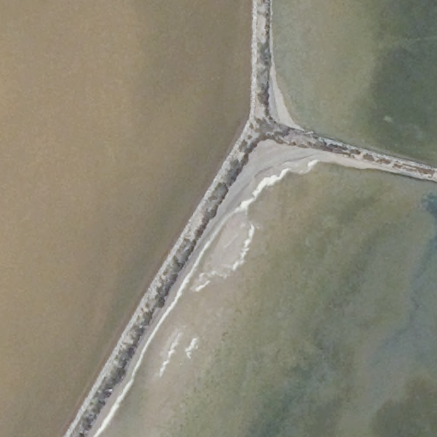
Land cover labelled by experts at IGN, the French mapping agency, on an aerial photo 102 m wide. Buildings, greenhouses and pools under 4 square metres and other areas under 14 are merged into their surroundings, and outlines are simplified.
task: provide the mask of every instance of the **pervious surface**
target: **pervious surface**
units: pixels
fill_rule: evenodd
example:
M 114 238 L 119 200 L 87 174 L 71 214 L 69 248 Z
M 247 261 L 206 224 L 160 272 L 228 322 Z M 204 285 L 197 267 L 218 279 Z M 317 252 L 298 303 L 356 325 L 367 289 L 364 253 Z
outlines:
M 171 362 L 171 357 L 183 336 L 181 331 L 174 329 L 160 352 L 162 362 L 157 372 L 160 377 L 164 376 L 167 365 Z
M 183 278 L 167 297 L 166 306 L 159 307 L 155 304 L 157 288 L 171 277 L 174 258 L 178 256 L 184 239 L 195 237 L 203 215 L 212 210 L 213 201 L 210 200 L 210 196 L 213 195 L 213 191 L 218 183 L 224 181 L 230 164 L 234 160 L 242 159 L 242 142 L 251 143 L 258 137 L 256 119 L 263 118 L 265 114 L 265 108 L 258 97 L 258 72 L 263 67 L 259 60 L 259 46 L 265 43 L 266 9 L 265 3 L 261 0 L 253 0 L 251 109 L 248 119 L 229 154 L 225 155 L 224 162 L 205 195 L 201 196 L 200 203 L 196 205 L 188 224 L 184 225 L 183 232 L 179 234 L 164 263 L 160 265 L 149 290 L 145 292 L 123 329 L 108 362 L 102 367 L 96 382 L 90 387 L 89 394 L 85 396 L 84 403 L 63 437 L 77 437 L 75 428 L 82 422 L 85 411 L 90 410 L 96 403 L 94 398 L 97 391 L 101 389 L 102 382 L 111 377 L 111 372 L 118 367 L 119 353 L 128 348 L 131 338 L 135 335 L 135 326 L 142 323 L 143 314 L 147 311 L 154 314 L 154 324 L 149 333 L 145 333 L 143 340 L 140 341 L 140 347 L 131 358 L 125 379 L 111 391 L 108 403 L 102 408 L 97 422 L 92 425 L 92 434 L 89 437 L 99 437 L 113 420 L 114 413 L 118 411 L 121 401 L 135 381 L 135 374 L 142 365 L 147 348 L 159 333 L 160 326 L 171 314 L 172 309 L 178 306 L 189 278 L 193 277 L 213 239 L 220 236 L 222 239 L 212 254 L 212 259 L 205 265 L 205 271 L 200 273 L 196 280 L 196 285 L 207 287 L 212 277 L 230 277 L 232 271 L 244 263 L 249 246 L 244 244 L 244 239 L 253 241 L 253 237 L 248 236 L 253 222 L 248 218 L 248 207 L 258 198 L 263 188 L 283 179 L 287 172 L 309 172 L 318 162 L 336 162 L 343 166 L 391 171 L 394 166 L 391 162 L 369 162 L 360 155 L 347 157 L 324 150 L 297 149 L 288 145 L 278 145 L 273 140 L 259 143 L 249 155 L 246 167 L 230 186 L 225 200 L 218 207 L 217 215 L 208 222 L 207 230 L 200 237 L 195 253 L 183 270 Z
M 273 34 L 270 34 L 270 111 L 273 118 L 290 128 L 300 130 L 300 125 L 290 118 L 282 92 L 278 89 Z

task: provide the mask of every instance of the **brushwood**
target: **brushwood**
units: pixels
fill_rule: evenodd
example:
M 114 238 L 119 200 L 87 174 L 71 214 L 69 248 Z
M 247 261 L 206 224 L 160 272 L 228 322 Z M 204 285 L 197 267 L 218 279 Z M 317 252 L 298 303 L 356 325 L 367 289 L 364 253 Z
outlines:
M 212 210 L 203 215 L 195 237 L 184 239 L 178 256 L 174 258 L 171 277 L 157 288 L 155 304 L 159 307 L 166 306 L 167 297 L 183 278 L 183 270 L 195 253 L 200 237 L 207 230 L 208 222 L 217 215 L 218 207 L 225 200 L 230 186 L 246 167 L 249 155 L 259 143 L 273 140 L 278 145 L 288 145 L 297 149 L 324 150 L 347 157 L 360 155 L 369 162 L 391 162 L 394 166 L 391 171 L 437 181 L 437 167 L 389 154 L 379 154 L 374 150 L 362 150 L 353 145 L 345 147 L 316 142 L 316 138 L 290 135 L 290 128 L 273 118 L 270 111 L 270 34 L 273 34 L 273 0 L 261 0 L 265 3 L 266 9 L 265 43 L 259 46 L 259 60 L 263 67 L 258 72 L 258 97 L 265 108 L 265 114 L 263 118 L 256 119 L 258 137 L 251 143 L 242 142 L 242 159 L 234 160 L 230 164 L 224 181 L 218 183 L 213 191 L 213 195 L 210 196 L 210 200 L 213 201 Z
M 94 398 L 96 403 L 90 410 L 85 411 L 82 422 L 75 428 L 77 437 L 89 437 L 92 434 L 92 425 L 97 422 L 102 408 L 108 403 L 111 391 L 125 379 L 131 358 L 140 347 L 140 341 L 143 340 L 145 333 L 149 333 L 154 324 L 154 314 L 147 311 L 143 314 L 142 323 L 135 326 L 135 335 L 131 338 L 128 348 L 119 353 L 118 367 L 111 372 L 111 377 L 102 382 L 101 389 L 97 391 Z

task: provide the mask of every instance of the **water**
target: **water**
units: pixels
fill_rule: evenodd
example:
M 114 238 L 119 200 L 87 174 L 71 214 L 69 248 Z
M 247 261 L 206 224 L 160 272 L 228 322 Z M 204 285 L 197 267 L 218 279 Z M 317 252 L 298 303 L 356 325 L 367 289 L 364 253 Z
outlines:
M 374 150 L 379 154 L 389 154 L 437 167 L 437 0 L 273 0 L 273 34 L 278 89 L 282 92 L 290 118 L 300 125 L 300 130 L 290 128 L 290 135 L 316 138 L 316 142 L 345 147 L 353 145 L 362 150 Z
M 99 437 L 437 437 L 437 181 L 391 171 L 343 166 L 336 162 L 318 162 L 309 172 L 287 172 L 283 179 L 263 188 L 258 198 L 248 207 L 248 218 L 253 222 L 248 236 L 253 237 L 253 241 L 244 239 L 244 244 L 249 246 L 244 263 L 232 271 L 230 277 L 212 277 L 207 287 L 196 285 L 196 280 L 200 273 L 205 271 L 205 265 L 212 259 L 212 254 L 222 239 L 220 236 L 213 239 L 193 277 L 189 278 L 178 306 L 172 309 L 171 314 L 160 326 L 159 333 L 147 348 L 142 365 L 135 374 L 135 381 L 121 401 L 118 411 L 114 413 L 113 420 Z M 157 372 L 162 362 L 160 352 L 174 329 L 181 331 L 183 336 L 171 357 L 171 362 L 167 365 L 164 376 L 160 377 Z
M 0 0 L 0 437 L 63 437 L 84 403 L 85 396 L 89 394 L 90 387 L 96 382 L 102 367 L 108 362 L 123 329 L 145 292 L 149 290 L 160 265 L 164 263 L 179 234 L 183 232 L 184 225 L 188 224 L 196 205 L 200 203 L 201 196 L 205 195 L 224 162 L 225 155 L 229 154 L 248 119 L 251 109 L 253 0 Z

